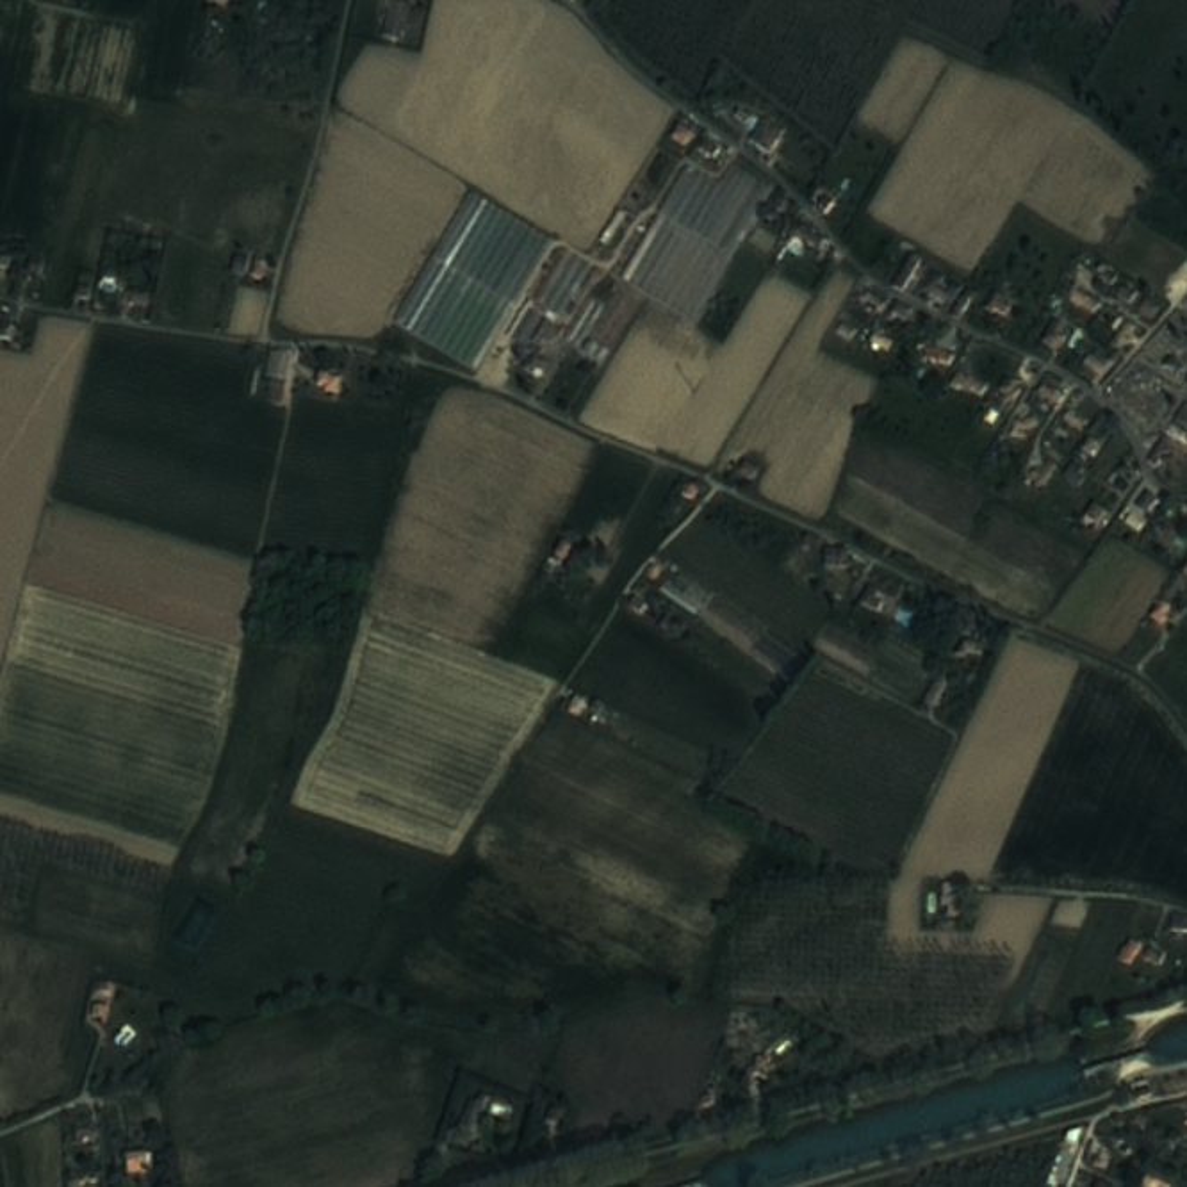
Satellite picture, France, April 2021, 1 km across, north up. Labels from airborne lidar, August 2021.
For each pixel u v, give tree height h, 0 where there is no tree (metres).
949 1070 15
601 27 10
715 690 0
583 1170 35
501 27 0
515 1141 8
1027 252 12
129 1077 11
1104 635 0
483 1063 0
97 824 0
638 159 0
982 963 18
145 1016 0
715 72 12
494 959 0
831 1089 22
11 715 0
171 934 0
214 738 0
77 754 0
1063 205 0
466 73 0
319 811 0
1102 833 0
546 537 0
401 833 0
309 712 0
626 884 0
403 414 0
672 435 0
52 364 0
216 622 0
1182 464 9
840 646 0
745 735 0
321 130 0
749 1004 11
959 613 22
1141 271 0
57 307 0
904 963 17
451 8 0
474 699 0
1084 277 0
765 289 0
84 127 0
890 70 0
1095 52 6
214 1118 0
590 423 0
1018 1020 0
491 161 0
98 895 0
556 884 0
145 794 0
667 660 0
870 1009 17
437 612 0
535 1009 0
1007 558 0
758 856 0
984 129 0
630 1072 0
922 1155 20
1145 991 0
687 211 0
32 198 0
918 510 0
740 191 0
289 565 11
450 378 0
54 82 0
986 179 0
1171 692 0
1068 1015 0
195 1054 0
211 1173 0
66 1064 0
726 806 16
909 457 0
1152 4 0
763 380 0
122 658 0
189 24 0
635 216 0
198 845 0
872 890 18
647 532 0
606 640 0
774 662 0
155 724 0
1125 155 0
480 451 0
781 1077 10
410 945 0
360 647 0
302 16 11
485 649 0
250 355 15
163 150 0
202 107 0
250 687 0
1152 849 0
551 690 0
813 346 0
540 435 0
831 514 0
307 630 14
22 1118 8
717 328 0
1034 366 0
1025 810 0
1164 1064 0
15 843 18
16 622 0
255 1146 0
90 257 0
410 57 0
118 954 0
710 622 0
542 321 0
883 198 0
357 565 17
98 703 0
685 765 0
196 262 0
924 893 0
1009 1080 0
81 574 0
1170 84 0
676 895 0
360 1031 0
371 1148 0
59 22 0
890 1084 15
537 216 0
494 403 0
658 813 0
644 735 0
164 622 0
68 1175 7
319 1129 0
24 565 0
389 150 0
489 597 0
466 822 0
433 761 0
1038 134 0
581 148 0
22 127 0
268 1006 14
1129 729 0
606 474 0
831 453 0
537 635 0
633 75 0
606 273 0
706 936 0
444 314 0
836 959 18
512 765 0
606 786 0
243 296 0
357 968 0
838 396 0
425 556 0
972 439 0
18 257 10
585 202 0
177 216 0
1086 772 0
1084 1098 10
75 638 0
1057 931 0
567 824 0
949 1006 19
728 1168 0
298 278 0
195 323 0
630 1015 0
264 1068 0
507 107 0
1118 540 0
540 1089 11
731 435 0
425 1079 0
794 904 17
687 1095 0
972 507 0
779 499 0
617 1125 7
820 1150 0
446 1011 0
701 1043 0
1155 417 0
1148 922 0
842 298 0
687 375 0
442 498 0
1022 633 0
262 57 8
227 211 0
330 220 0
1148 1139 11
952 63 0
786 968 18
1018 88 0
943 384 10
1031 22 8
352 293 0
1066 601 0
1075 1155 0
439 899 0
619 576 0
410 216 0
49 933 0
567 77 0
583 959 0
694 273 0
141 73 0
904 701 0
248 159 0
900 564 6
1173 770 0
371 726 0
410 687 0
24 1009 0
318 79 9
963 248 0
